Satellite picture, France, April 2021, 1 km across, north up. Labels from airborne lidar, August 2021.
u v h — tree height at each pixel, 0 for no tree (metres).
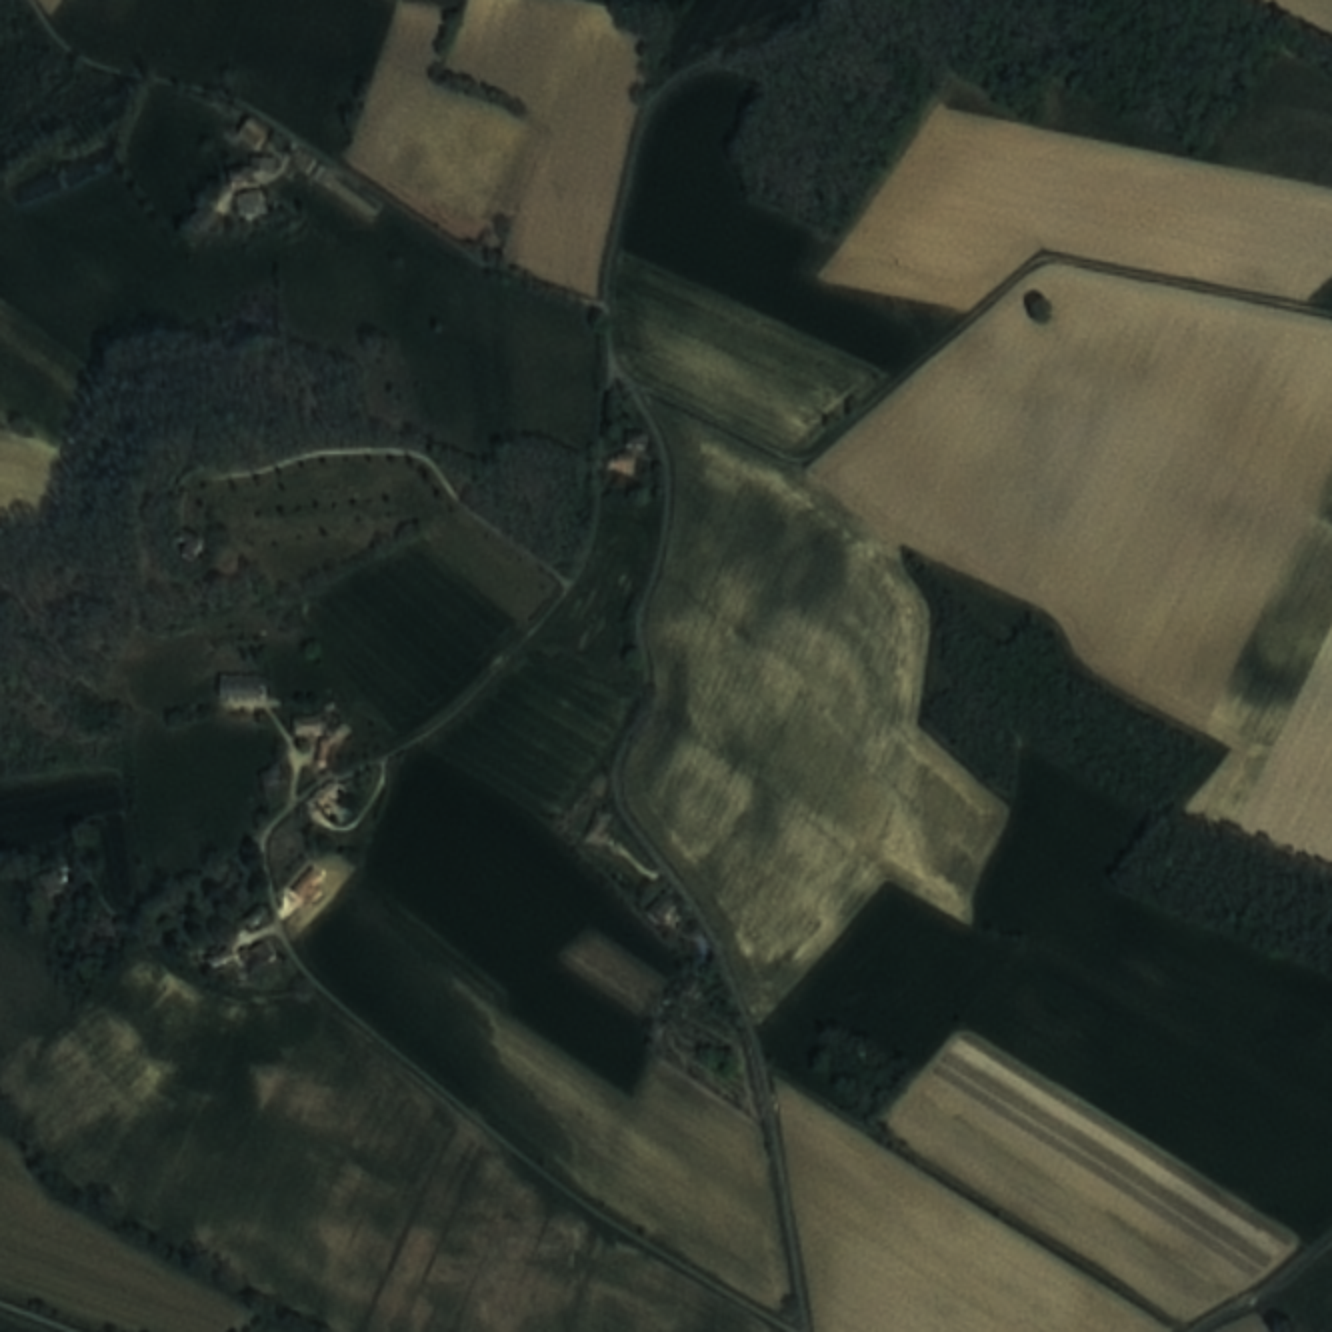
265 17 0
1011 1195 0
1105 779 11
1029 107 26
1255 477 0
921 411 0
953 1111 0
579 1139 0
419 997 0
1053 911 0
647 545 0
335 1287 0
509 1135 0
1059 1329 0
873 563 0
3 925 0
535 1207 0
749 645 0
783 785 0
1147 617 0
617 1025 0
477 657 0
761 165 17
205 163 0
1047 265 0
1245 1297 0
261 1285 0
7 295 0
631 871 0
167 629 17
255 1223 0
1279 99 0
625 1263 0
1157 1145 0
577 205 0
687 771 0
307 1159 0
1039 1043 0
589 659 0
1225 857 13
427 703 0
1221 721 0
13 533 16
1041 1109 0
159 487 15
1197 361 0
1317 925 16
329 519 0
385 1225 0
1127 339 0
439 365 0
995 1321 0
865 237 0
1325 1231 0
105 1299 0
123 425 18
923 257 0
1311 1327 0
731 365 0
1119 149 0
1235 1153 0
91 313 0
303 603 11
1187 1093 0
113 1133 0
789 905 0
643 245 0
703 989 9
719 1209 0
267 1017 0
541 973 0
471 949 0
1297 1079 0
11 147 10
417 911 0
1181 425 0
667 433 0
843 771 0
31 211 0
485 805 0
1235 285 0
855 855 0
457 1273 0
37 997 0
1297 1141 0
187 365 20
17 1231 0
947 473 0
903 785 0
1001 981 0
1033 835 0
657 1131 0
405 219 0
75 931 14
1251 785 0
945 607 7
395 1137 0
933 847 0
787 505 0
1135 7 28
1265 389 0
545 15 0
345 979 0
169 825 0
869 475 0
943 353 0
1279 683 0
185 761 0
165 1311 0
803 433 0
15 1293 0
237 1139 0
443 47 10
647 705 9
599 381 8
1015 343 0
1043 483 0
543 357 0
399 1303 0
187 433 16
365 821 0
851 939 0
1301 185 0
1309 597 0
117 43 0
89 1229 0
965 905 0
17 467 0
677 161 0
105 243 0
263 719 11
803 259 0
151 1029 0
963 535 0
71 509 18
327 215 0
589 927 0
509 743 0
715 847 0
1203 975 0
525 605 0
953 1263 0
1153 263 0
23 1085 0
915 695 0
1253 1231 0
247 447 19
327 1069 0
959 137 0
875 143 20
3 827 0
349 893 0
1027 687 9
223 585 17
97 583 13
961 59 22
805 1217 0
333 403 15
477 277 0
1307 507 0
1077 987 0
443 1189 0
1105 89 24
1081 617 0
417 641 0
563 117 0
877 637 0
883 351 0
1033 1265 0
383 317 0
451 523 0
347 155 0
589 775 0
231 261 0
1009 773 9
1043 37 24
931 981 0
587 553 18
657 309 0
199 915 10
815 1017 0
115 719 14
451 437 0
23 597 11
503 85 0
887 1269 0
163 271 0
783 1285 0
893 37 21
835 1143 0
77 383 0
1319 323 0
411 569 0
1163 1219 0
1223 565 0
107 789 0
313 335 0
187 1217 0
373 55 0
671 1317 0
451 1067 0
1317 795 0
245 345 12
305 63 0
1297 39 24
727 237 0
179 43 0
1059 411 0
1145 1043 0
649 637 0
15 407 0
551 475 18
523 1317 0
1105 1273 0
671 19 18
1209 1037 0
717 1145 0
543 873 0
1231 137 0
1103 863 0
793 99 18
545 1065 0
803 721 0
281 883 0
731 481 0
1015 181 0
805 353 0
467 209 0
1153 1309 0
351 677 0
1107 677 0
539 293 11
